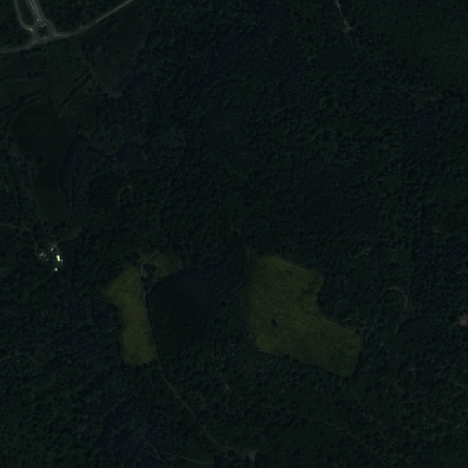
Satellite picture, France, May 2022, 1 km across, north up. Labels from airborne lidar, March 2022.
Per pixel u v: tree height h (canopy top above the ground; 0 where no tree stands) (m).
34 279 15
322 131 7
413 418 14
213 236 18
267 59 20
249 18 20
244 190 14
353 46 17
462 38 15
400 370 16
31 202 17
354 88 18
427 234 9
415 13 16
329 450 8
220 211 7
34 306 18
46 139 0
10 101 0
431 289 19
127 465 26
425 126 20
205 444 17
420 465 16
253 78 18
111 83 0
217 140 17
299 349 0
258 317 0
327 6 26
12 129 0
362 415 10
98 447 21
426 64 22
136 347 0
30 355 24
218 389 14
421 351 8
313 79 17
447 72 19
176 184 18
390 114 23
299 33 7
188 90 18
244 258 18
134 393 27
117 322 18
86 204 27
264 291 0
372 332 12
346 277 15
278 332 0
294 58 20
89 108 0
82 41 0
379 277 7
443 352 6
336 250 11
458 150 19
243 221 8
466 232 20
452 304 15
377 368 7
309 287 0
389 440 8
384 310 13
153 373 13
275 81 13
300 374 7
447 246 28
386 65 29
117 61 0
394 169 16
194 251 8
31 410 12
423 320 16
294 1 20
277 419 7
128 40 0
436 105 9
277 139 15
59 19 12
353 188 15
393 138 19
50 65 0
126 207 18
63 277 33
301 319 0
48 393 22
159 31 22
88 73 10
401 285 6
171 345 11
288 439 9
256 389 6
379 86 22
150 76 26
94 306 24
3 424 9
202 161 18
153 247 12
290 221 16
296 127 22
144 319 0
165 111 24
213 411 15
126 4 0
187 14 9
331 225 16
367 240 13
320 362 0
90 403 35
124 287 0
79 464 8
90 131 0
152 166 20
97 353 22
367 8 21
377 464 12
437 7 20
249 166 17
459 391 10
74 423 18
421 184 18
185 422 18
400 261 8
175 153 28
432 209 19
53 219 0
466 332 14
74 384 32
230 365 12
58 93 0
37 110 0
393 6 17
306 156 11
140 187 15
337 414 8
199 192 19
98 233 7
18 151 0
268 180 16
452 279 24
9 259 0
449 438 17
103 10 14
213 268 21
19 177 21
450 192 20
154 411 20
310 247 8
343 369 0
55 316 24
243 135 15
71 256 6
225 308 12
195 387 15
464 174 11
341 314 8
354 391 6
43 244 18
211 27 21
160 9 15
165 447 32
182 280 19
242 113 19
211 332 7
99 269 18
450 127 17
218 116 19
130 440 32
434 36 16
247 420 15
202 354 15
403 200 12
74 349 28
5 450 12
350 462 7
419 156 20
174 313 11
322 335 0
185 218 18
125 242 21
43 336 27
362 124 17
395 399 15
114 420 28
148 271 16
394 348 7
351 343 0
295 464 10
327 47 17
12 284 21
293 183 22
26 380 23
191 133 20
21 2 0
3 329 25
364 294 16
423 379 7
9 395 16
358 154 17
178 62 17
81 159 25
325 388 9
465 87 22
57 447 18
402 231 8
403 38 20
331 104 22
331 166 20
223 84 19
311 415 7
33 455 7
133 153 27
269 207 8
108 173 15
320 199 18
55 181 0
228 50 25
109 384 29
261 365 6
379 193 15
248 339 8
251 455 0
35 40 0
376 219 19
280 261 0
